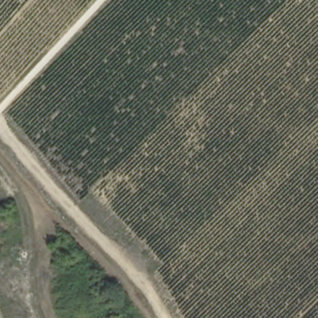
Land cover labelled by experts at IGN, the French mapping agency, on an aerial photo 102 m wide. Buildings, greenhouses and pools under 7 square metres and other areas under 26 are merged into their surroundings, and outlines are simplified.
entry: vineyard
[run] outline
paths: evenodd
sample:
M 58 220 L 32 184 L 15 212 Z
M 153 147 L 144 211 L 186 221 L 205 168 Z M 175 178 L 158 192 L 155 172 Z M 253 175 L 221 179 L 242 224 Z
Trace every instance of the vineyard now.
M 171 318 L 318 318 L 318 0 L 107 0 L 2 113 L 7 127 L 19 142 L 35 155 L 36 160 L 58 188 L 79 207 L 104 236 L 117 243 L 138 271 L 147 273 L 160 302 L 164 304 Z
M 96 0 L 0 0 L 0 103 L 29 75 L 32 68 Z

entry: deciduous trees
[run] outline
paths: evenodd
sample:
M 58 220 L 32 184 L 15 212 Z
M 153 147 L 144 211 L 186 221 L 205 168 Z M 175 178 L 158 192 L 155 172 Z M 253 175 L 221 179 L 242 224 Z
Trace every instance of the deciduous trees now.
M 5 225 L 14 224 L 20 219 L 20 214 L 15 199 L 6 205 L 5 210 L 0 209 L 0 222 L 4 222 Z

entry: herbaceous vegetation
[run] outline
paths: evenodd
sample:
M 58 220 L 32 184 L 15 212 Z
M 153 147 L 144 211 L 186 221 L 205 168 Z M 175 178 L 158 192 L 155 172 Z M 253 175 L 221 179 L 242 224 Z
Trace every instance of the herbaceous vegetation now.
M 158 318 L 147 296 L 129 278 L 127 272 L 47 193 L 40 181 L 17 158 L 14 150 L 0 138 L 0 209 L 5 210 L 6 205 L 15 199 L 20 214 L 20 219 L 14 224 L 5 225 L 4 222 L 0 222 L 0 318 L 57 318 L 51 301 L 50 287 L 52 278 L 57 277 L 57 271 L 50 263 L 51 251 L 47 246 L 47 243 L 56 242 L 56 236 L 53 236 L 56 222 L 71 232 L 79 245 L 106 270 L 107 275 L 116 277 L 123 284 L 130 301 L 144 318 Z

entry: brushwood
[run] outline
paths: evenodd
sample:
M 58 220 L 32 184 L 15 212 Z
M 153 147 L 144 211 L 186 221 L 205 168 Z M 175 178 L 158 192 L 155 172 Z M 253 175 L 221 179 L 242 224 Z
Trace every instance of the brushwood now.
M 71 232 L 56 222 L 53 236 L 56 236 L 56 242 L 47 243 L 47 246 L 51 251 L 50 263 L 57 271 L 57 277 L 52 278 L 50 287 L 51 301 L 57 318 L 144 318 L 130 301 L 123 284 L 116 277 L 107 275 L 106 270 L 79 245 Z

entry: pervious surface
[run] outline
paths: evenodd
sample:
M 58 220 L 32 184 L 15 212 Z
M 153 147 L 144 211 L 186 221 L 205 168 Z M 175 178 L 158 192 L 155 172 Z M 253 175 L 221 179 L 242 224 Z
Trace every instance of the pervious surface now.
M 35 155 L 19 142 L 7 127 L 2 113 L 107 0 L 96 0 L 32 68 L 29 75 L 0 103 L 0 138 L 14 150 L 17 158 L 40 181 L 47 193 L 127 272 L 129 278 L 147 296 L 158 318 L 171 318 L 164 304 L 160 302 L 147 273 L 138 271 L 117 243 L 104 236 L 79 207 L 58 188 L 36 160 Z

